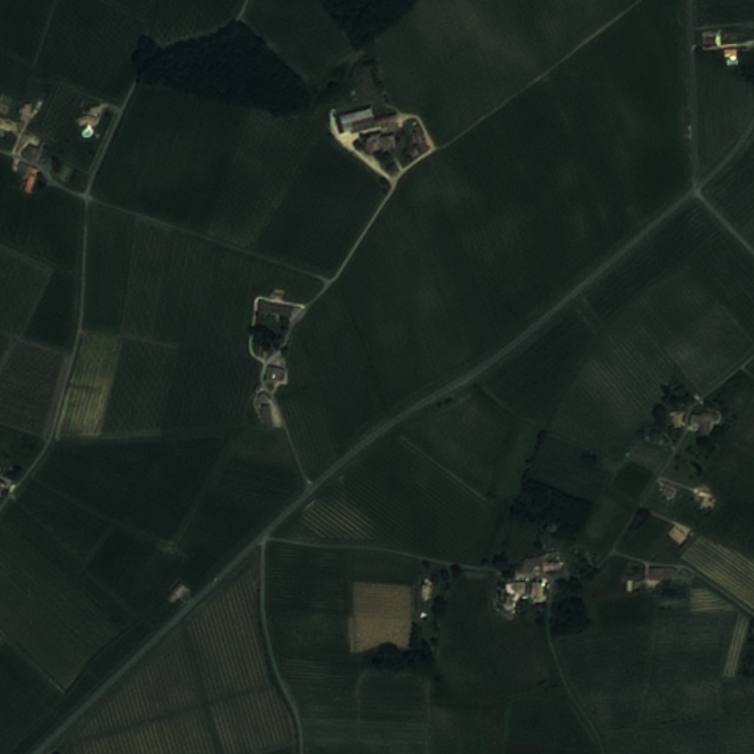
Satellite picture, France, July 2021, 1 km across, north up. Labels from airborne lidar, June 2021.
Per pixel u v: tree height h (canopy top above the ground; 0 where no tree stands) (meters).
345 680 0
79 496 0
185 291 0
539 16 0
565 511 13
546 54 0
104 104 0
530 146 0
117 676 0
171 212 0
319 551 0
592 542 0
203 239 0
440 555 0
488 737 0
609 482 0
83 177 0
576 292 0
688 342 0
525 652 0
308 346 0
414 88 0
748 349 0
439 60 0
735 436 0
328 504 0
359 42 13
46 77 0
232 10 0
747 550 0
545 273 0
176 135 0
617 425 0
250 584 0
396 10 19
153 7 0
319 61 0
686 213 0
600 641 0
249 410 0
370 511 0
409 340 0
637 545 0
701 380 0
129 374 0
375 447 0
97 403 0
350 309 0
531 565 0
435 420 0
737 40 0
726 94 0
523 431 0
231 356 0
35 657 0
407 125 0
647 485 0
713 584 0
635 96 0
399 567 0
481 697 0
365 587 0
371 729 0
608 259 0
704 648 0
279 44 0
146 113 0
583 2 0
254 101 14
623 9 0
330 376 0
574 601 12
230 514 0
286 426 0
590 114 0
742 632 0
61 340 0
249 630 0
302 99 19
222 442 0
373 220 0
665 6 0
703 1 0
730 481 0
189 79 22
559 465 0
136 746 0
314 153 0
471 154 0
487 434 0
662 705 0
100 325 0
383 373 0
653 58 0
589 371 0
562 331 0
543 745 0
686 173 0
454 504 0
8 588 0
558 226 0
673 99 0
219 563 0
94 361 0
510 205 0
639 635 0
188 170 0
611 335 0
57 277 0
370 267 0
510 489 0
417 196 0
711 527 0
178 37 0
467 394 0
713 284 0
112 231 0
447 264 0
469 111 0
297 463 0
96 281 0
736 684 0
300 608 0
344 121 0
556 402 0
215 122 0
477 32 0
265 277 0
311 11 0
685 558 0
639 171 0
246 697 0
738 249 0
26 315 0
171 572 0
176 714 0
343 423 0
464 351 0
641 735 0
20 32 0
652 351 0
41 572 0
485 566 11
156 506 0
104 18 0
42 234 0
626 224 0
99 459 0
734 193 0
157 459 0
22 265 0
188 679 0
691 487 0
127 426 0
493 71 0
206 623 0
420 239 0
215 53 19
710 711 0
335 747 0
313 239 0
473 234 0
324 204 0
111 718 0
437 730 0
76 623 0
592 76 0
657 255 0
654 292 0
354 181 0
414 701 0
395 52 0
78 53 0
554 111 0
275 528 0
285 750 0
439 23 0
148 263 0
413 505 0
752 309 0
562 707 0
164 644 0
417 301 0
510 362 0
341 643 0
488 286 0
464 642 0
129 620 0
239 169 0
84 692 0
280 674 0
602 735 0
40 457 0
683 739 0
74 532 0
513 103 0
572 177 0
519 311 0
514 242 0
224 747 0
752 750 0
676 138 0
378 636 0
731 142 0
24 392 0
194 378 0
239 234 0
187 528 0
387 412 0
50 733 0
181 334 0
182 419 0
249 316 0
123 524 0
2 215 0
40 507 0
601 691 0
